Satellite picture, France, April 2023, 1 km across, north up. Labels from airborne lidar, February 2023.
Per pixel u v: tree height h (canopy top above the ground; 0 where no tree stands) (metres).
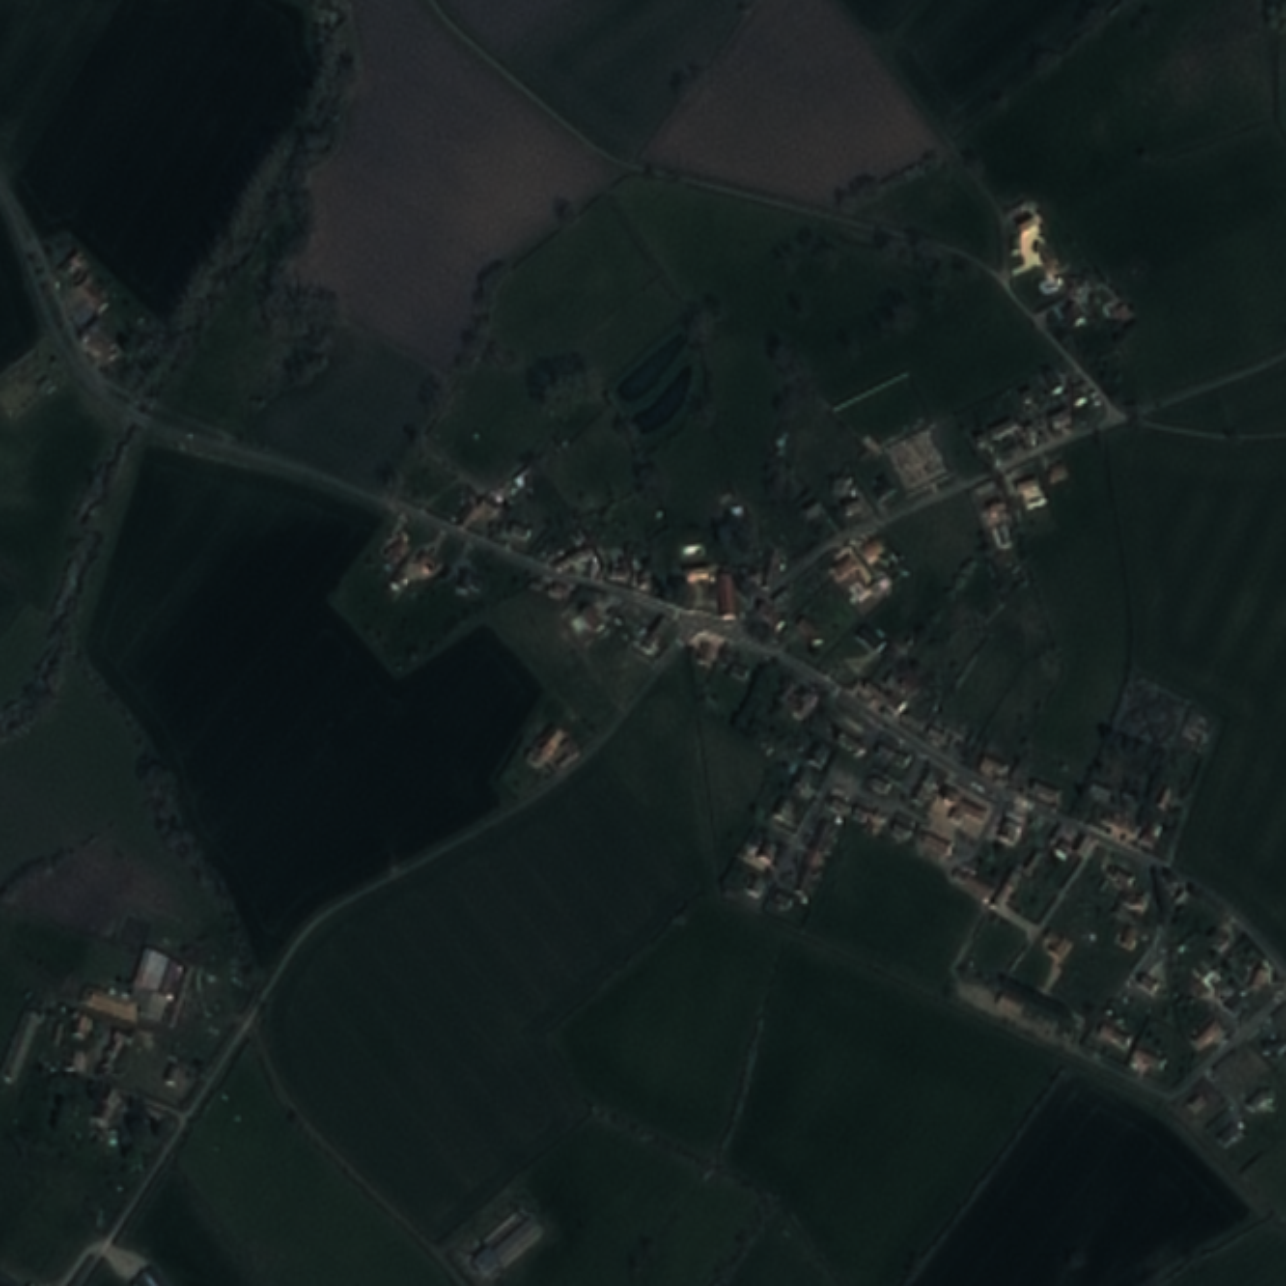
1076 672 0
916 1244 0
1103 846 0
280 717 0
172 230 0
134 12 0
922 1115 0
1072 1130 0
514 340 0
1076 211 0
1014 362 0
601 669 0
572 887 0
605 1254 0
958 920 0
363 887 0
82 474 0
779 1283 0
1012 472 0
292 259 22
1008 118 0
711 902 0
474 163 0
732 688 0
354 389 0
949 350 0
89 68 0
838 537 0
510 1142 0
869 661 0
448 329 0
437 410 22
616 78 0
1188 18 0
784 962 0
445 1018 0
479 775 0
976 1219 0
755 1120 0
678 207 0
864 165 0
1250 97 0
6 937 0
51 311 0
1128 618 0
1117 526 0
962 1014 0
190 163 0
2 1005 0
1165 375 0
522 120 0
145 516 0
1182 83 0
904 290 0
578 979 0
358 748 0
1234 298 0
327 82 28
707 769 0
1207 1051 0
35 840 0
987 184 0
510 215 0
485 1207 0
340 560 0
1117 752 9
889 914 0
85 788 0
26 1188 0
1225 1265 0
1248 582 0
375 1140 0
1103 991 0
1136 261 0
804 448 0
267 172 32
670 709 0
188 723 0
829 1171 0
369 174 0
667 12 0
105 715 0
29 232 0
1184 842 0
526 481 8
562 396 31
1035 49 0
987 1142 0
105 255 0
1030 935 0
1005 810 7
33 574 0
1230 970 8
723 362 0
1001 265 0
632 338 0
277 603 0
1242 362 0
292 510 0
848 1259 0
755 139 0
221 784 0
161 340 12
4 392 0
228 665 0
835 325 0
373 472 0
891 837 7
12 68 0
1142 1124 0
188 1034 0
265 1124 0
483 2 0
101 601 0
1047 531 0
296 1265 0
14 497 0
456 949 0
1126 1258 0
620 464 0
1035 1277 0
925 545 0
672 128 0
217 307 14
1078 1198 0
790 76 0
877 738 0
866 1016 0
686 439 0
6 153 0
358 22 0
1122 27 0
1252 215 0
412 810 0
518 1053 0
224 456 0
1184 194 0
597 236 0
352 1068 0
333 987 0
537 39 0
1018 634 0
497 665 0
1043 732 0
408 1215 0
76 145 0
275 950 0
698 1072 0
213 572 0
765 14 0
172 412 0
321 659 0
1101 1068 0
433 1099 0
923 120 0
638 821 0
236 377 0
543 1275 0
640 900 0
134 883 0
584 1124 0
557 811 0
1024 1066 0
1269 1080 0
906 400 0
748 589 13
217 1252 0
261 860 0
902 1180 0
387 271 0
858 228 0
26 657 0
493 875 0
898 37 0
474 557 0
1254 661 0
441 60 0
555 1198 0
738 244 0
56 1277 0
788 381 16
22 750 0
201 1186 0
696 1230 0
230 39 0
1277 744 0
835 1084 0
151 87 0
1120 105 0
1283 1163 0
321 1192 0
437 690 0
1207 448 0
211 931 0
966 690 0
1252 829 0
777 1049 0
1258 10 0
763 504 0
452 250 0
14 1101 0
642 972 0
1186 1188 0
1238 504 0
